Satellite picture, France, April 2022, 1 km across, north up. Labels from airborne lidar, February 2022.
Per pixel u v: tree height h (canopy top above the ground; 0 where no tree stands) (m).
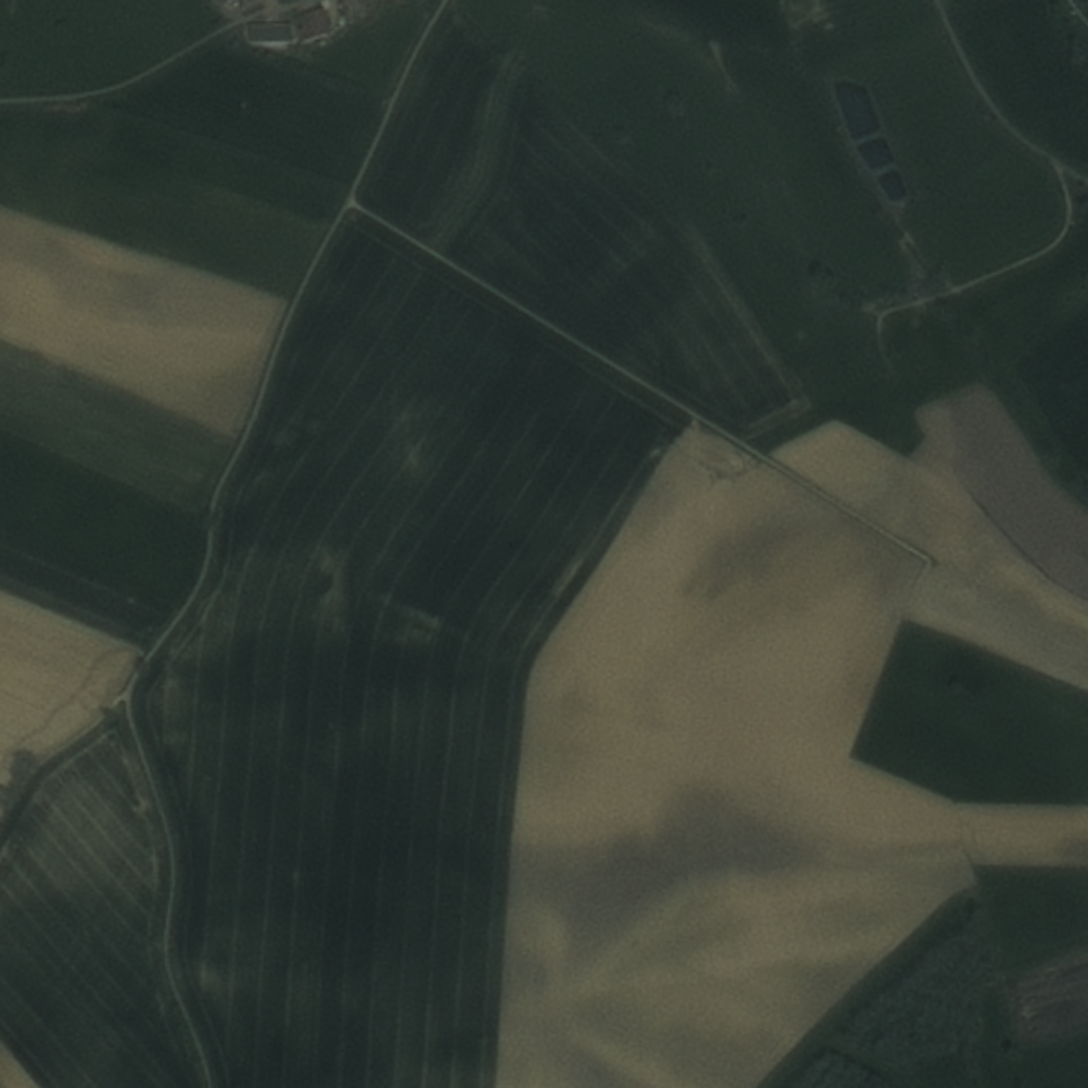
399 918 0
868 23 0
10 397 0
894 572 0
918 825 0
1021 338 0
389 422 0
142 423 0
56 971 0
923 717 0
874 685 0
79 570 0
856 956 0
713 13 0
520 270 0
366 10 0
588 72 0
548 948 0
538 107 0
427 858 0
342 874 0
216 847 0
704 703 0
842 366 0
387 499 0
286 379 0
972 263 0
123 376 0
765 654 0
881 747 0
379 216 0
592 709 0
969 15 0
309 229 0
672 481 0
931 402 0
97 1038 0
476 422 0
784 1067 0
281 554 0
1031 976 0
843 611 0
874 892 0
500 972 0
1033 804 0
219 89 0
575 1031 0
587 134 0
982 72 0
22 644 0
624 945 0
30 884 0
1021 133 0
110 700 0
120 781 0
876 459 0
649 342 0
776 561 0
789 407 0
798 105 0
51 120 0
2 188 0
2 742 0
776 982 0
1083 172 0
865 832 0
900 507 0
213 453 0
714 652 0
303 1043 0
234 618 0
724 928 0
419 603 0
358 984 0
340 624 0
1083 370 0
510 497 0
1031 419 0
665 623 0
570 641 0
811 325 0
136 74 0
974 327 0
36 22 0
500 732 0
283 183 0
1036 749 0
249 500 0
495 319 0
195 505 0
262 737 0
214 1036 0
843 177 0
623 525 0
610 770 0
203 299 0
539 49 0
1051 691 0
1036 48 0
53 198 0
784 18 0
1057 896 0
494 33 0
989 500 0
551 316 0
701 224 0
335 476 0
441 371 0
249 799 0
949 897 0
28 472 0
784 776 0
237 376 0
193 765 0
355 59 0
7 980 0
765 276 0
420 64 0
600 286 0
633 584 0
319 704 0
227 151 0
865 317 0
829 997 0
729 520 0
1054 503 0
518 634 0
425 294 0
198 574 0
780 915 0
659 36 0
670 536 0
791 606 0
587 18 0
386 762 0
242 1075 0
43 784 0
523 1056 0
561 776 0
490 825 0
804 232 0
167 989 0
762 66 0
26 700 0
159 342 0
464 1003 0
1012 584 0
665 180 0
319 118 0
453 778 0
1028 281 0
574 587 0
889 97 0
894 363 0
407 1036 0
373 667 0
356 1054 0
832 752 0
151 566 0
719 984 0
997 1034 0
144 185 0
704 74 0
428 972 0
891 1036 10
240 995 0
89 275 0
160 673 0
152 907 0
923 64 0
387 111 0
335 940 0
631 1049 0
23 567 0
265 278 0
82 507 0
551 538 0
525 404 0
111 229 0
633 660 0
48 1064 0
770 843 0
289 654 0
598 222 0
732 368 0
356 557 0
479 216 0
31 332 0
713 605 0
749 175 0
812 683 0
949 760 0
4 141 0
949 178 0
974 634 0
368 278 0
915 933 0
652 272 0
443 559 0
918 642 0
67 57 0
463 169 0
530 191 0
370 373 0
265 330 0
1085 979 0
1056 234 0
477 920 0
